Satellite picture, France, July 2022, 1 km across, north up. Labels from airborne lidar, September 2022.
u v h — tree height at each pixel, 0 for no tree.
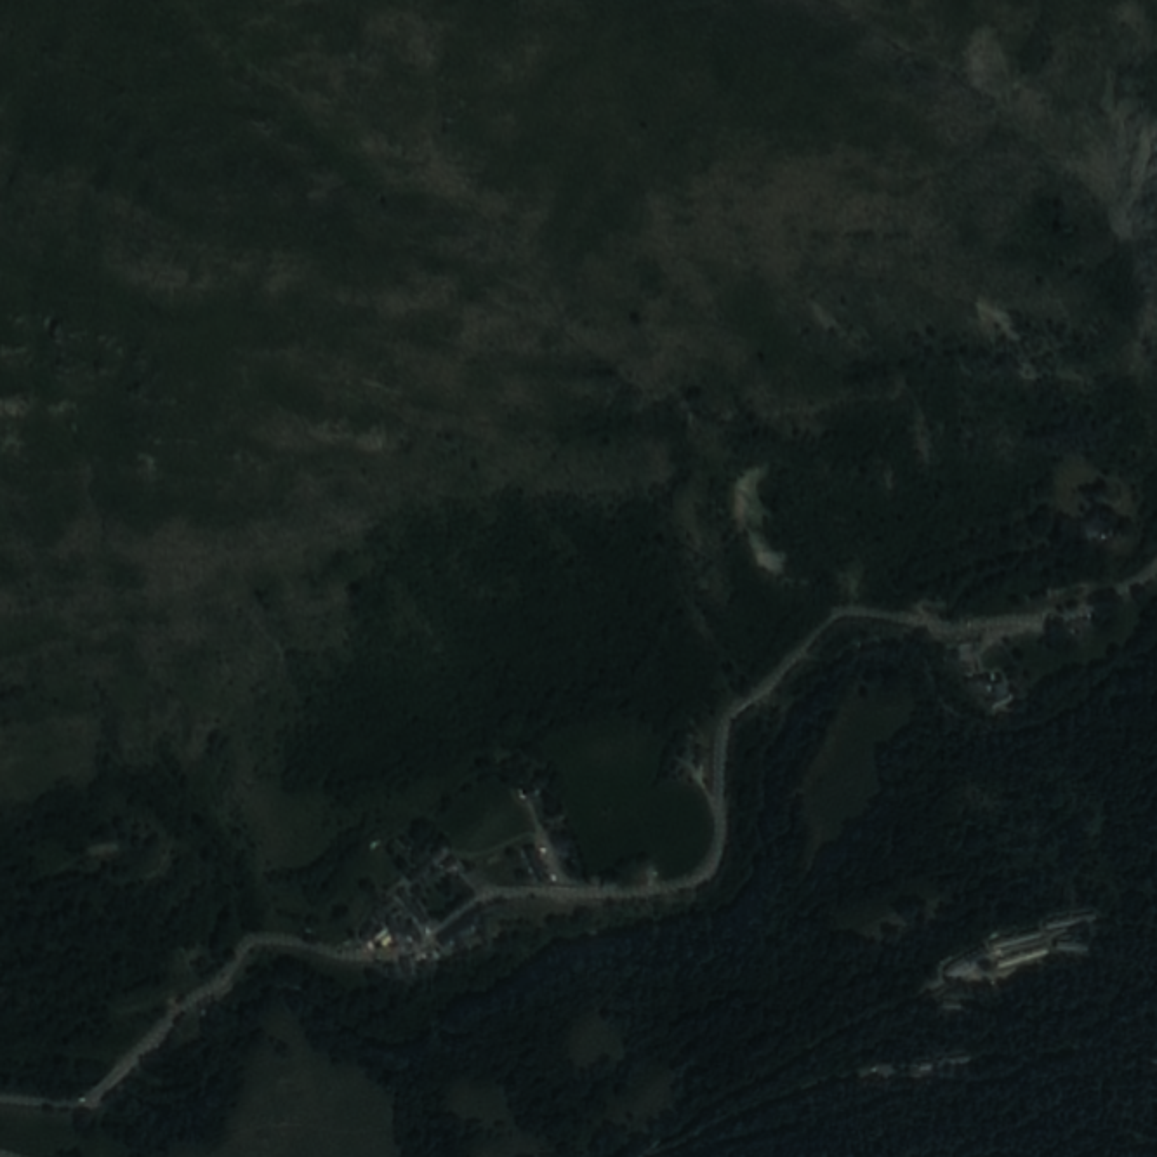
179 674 0
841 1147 23
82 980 16
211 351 0
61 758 0
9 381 0
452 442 11
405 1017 27
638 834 0
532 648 8
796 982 24
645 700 8
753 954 25
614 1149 16
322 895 14
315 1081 0
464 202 0
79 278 0
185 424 0
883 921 0
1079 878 9
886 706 0
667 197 0
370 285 0
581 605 8
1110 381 10
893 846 15
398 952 0
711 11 0
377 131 0
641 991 19
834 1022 13
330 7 0
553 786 16
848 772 0
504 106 0
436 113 0
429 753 9
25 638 0
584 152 0
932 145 0
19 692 9
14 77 0
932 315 0
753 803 28
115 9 0
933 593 13
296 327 0
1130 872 14
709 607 7
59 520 0
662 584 7
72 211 0
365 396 0
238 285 0
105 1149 0
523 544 6
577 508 8
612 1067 11
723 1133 15
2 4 0
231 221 0
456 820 0
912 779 11
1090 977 18
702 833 0
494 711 8
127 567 0
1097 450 7
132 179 0
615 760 0
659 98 0
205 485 0
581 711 14
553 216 0
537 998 14
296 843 0
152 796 7
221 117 0
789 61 0
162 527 0
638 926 6
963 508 7
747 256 0
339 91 0
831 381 0
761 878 26
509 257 0
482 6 0
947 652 12
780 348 0
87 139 0
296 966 18
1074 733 15
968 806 10
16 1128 0
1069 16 0
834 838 0
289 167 0
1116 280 11
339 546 0
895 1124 20
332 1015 23
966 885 11
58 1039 8
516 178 0
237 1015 32
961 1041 22
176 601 0
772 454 13
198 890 12
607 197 0
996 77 0
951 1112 19
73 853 7
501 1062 17
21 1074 17
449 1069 16
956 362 7
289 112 0
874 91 0
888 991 16
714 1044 26
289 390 0
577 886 0
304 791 7
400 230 0
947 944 15
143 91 0
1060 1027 23
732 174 0
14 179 0
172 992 0
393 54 0
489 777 7
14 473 0
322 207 0
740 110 0
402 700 9
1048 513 15
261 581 0
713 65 0
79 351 0
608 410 6
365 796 7
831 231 0
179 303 0
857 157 0
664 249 0
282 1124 0
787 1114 13
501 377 0
